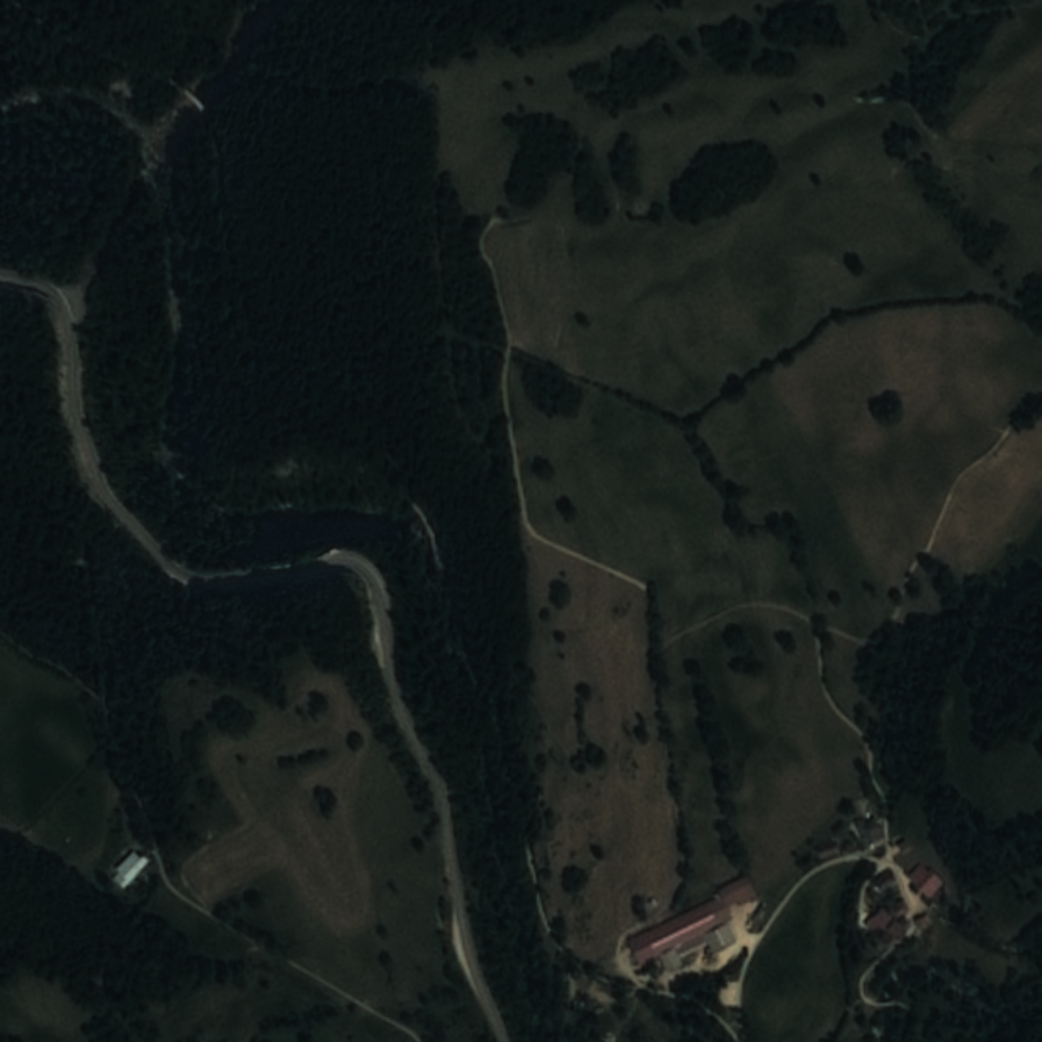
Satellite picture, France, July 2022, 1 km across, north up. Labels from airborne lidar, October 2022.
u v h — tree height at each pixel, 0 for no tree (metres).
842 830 7
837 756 0
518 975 27
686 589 0
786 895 0
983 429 0
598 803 0
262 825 0
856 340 0
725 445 0
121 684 15
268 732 0
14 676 0
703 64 0
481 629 22
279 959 19
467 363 17
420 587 20
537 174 8
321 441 14
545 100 0
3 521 12
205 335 25
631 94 8
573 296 0
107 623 25
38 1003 0
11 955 19
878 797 18
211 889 0
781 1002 0
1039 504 0
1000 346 0
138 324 28
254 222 20
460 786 14
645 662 0
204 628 26
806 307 0
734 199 6
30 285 0
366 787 0
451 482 25
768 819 0
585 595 0
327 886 0
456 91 0
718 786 12
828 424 0
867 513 0
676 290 0
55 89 19
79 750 0
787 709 0
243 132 20
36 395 19
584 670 0
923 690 22
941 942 0
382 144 29
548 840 0
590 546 0
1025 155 0
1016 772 0
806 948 0
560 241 0
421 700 22
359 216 25
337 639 18
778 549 0
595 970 13
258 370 23
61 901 29
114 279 26
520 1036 9
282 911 0
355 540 6
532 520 0
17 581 18
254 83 22
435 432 26
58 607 14
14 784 0
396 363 27
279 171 24
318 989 0
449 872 0
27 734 0
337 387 18
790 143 0
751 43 6
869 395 0
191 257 13
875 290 0
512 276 0
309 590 13
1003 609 23
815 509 0
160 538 6
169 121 0
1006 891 0
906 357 0
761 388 0
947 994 6
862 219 0
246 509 28
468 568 29
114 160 21
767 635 0
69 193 30
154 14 16
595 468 0
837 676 0
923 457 0
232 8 25
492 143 0
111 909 26
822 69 0
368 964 0
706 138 0
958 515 0
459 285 9
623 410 0
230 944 0
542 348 0
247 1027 0
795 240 0
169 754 8
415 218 23
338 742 0
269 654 18
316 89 31
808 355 0
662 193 0
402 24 19
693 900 0
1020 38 0
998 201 0
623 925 0
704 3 0
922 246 0
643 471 0
